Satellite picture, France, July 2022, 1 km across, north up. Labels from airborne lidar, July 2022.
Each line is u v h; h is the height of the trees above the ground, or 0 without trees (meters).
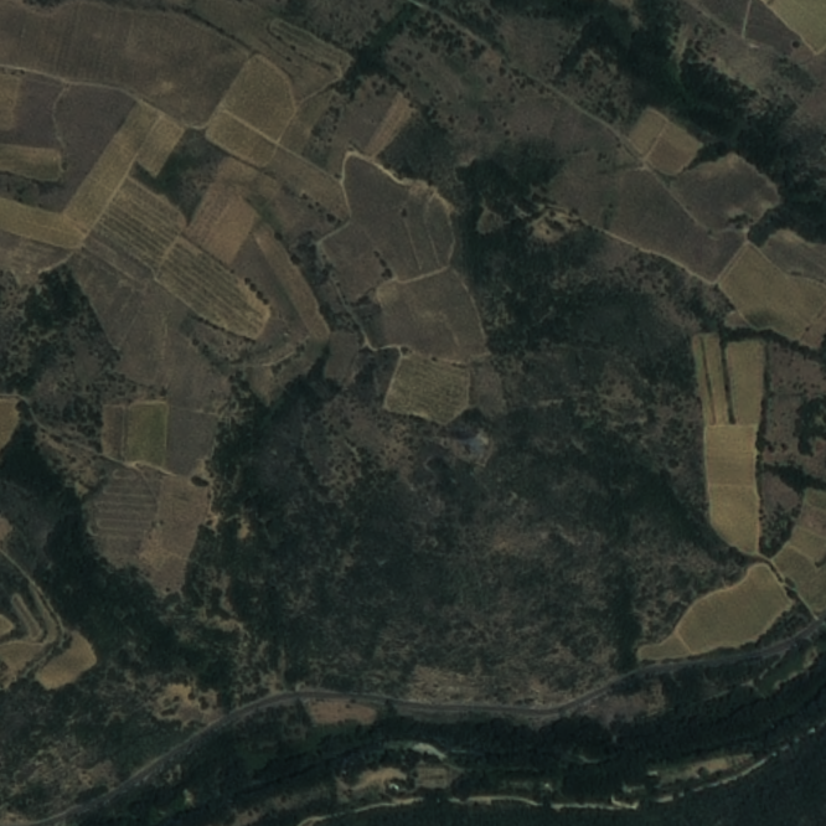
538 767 24
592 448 7
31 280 0
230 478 7
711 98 12
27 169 0
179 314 0
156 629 21
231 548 7
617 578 7
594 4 10
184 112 0
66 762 7
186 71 0
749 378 0
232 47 0
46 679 0
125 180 0
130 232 0
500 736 25
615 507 12
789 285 0
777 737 8
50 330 8
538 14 7
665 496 8
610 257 0
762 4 0
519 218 6
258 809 8
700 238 0
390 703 11
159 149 0
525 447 5
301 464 6
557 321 9
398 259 0
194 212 0
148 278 0
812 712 15
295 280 0
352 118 0
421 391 0
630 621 10
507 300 7
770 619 0
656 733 21
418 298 0
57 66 0
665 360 7
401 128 0
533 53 0
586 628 6
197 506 0
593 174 0
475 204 9
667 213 0
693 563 0
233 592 8
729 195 0
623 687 11
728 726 19
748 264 0
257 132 0
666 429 6
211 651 7
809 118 0
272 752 10
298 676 7
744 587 0
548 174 6
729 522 0
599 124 0
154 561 0
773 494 0
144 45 0
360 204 0
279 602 9
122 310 0
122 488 0
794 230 6
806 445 12
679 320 0
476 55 7
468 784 16
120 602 13
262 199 0
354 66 7
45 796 7
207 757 14
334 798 6
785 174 9
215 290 0
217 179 0
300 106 0
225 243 0
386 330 0
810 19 0
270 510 11
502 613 0
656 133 0
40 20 0
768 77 0
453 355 0
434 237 0
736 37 0
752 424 0
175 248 0
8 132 0
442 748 0
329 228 0
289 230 0
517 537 0
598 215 0
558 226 9
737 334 11
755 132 6
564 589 6
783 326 0
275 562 8
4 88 0
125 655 13
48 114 0
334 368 0
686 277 0
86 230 0
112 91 0
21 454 14
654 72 8
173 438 0
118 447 0
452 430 0
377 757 14
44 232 0
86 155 0
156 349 0
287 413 6
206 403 0
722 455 0
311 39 0
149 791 10
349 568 7
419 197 0
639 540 9
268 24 0
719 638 0
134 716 6
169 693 0
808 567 0
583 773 13
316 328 0
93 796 10
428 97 0
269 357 0
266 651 6
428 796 10
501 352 6
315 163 0
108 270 0
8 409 0
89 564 13
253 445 6
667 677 9
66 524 12
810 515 0
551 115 0
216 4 0
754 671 11
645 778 18
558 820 7
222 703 13
